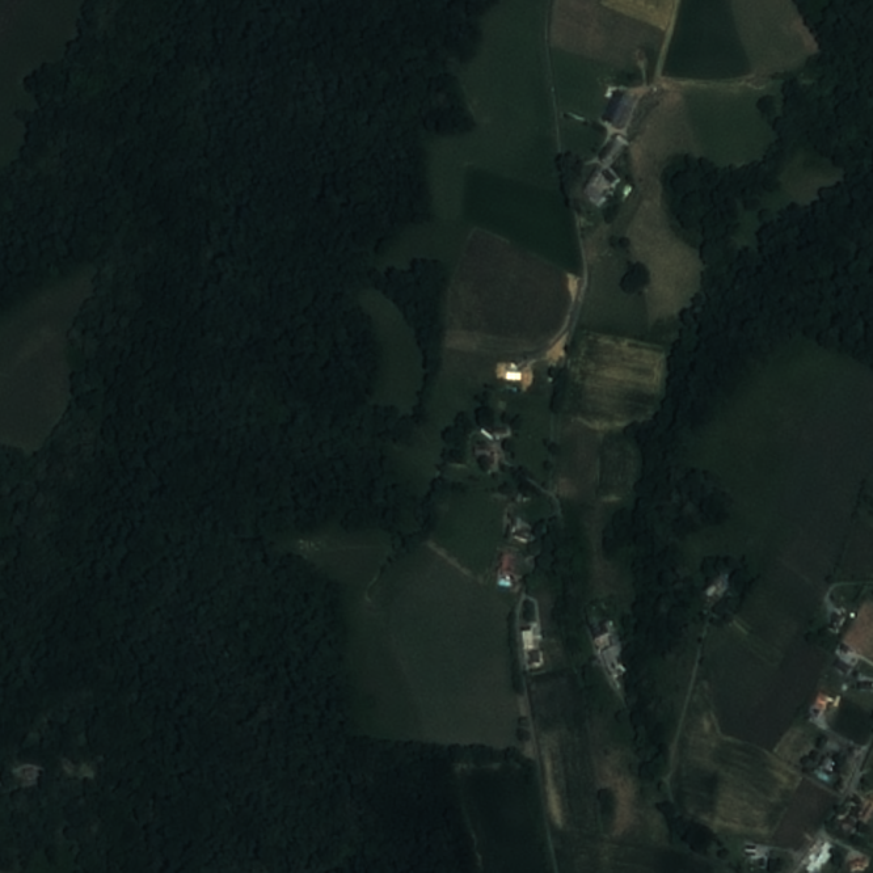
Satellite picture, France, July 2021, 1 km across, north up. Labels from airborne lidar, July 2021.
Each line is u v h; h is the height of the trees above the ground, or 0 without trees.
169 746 29
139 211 25
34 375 0
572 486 0
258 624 23
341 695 24
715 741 0
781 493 0
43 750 19
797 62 0
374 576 0
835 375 0
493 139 0
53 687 20
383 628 0
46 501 24
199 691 25
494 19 0
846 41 22
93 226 28
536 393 0
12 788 18
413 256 0
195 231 24
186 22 10
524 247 0
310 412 12
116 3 20
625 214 0
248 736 19
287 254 19
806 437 0
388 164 19
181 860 22
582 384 0
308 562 17
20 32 0
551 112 0
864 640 0
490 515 0
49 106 18
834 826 8
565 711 0
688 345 11
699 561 0
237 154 20
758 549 0
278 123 22
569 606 12
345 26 28
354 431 21
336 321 22
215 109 17
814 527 0
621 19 0
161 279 26
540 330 0
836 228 28
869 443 0
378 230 20
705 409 22
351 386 25
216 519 23
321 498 14
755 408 0
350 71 26
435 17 21
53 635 23
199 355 22
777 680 0
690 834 17
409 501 20
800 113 18
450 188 0
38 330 0
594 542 0
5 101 0
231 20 27
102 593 26
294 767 25
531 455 0
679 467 12
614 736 0
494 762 21
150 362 21
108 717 21
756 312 21
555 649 0
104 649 17
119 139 20
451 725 0
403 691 0
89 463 22
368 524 13
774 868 14
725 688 0
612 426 0
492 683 0
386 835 21
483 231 0
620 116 0
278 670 13
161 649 26
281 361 20
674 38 0
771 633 0
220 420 19
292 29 27
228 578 19
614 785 0
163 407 21
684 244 0
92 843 14
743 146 0
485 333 0
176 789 30
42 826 20
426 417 11
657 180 0
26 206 21
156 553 25
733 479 0
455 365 0
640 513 19
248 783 17
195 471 19
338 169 18
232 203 6
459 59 16
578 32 0
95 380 26
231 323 25
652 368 0
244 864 21
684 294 0
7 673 18
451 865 30
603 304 0
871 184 30
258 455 26
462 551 0
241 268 22
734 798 0
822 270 31
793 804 0
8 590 14
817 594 0
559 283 0
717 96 0
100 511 21
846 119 17
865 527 0
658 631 14
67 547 24
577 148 0
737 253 17
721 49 0
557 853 0
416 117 18
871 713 0
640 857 0
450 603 0
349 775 19
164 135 22
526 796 0
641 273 19
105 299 15
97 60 17
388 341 0
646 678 20
